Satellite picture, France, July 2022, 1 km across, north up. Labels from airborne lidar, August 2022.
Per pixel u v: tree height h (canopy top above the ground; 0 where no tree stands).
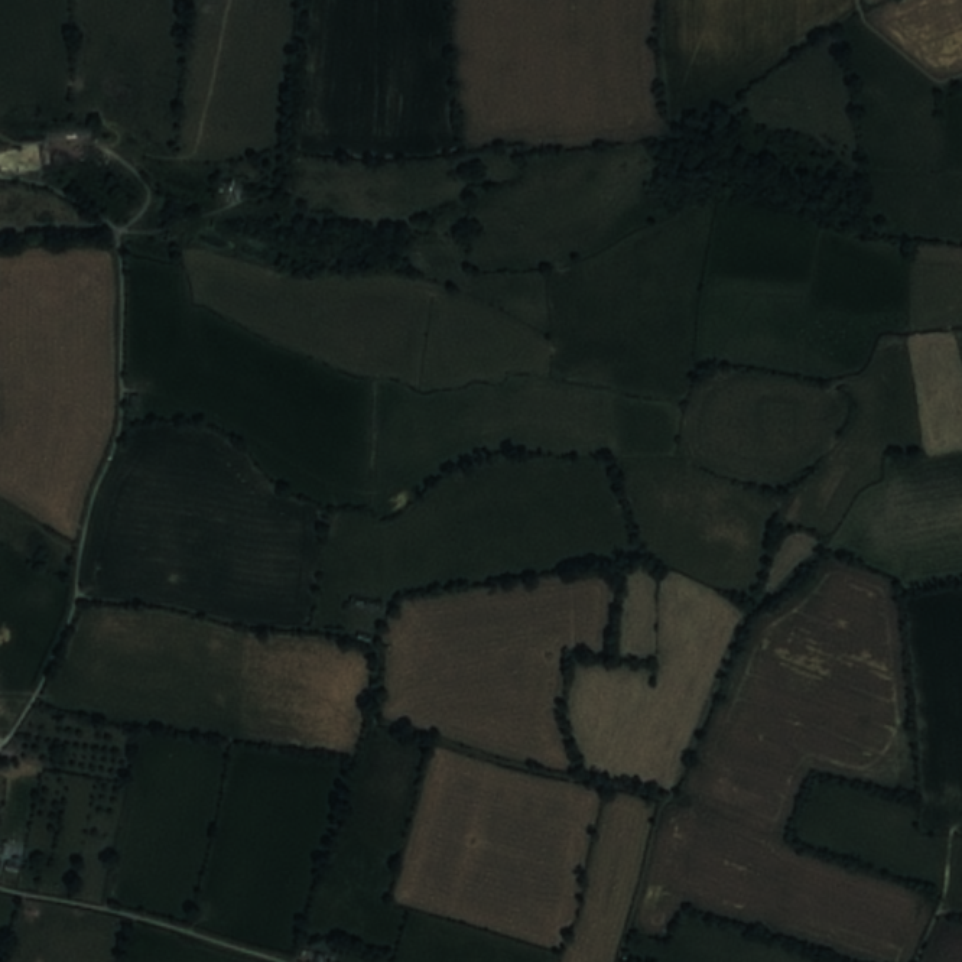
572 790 0
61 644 9
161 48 0
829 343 0
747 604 13
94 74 0
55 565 0
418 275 12
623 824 0
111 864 12
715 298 0
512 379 0
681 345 0
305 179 0
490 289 0
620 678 0
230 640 0
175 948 0
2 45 0
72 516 0
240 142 0
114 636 0
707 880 0
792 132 7
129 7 0
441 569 0
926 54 0
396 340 0
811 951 13
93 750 7
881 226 16
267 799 0
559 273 0
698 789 0
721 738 0
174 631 0
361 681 0
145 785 0
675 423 0
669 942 9
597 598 0
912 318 0
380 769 0
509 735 0
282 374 0
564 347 0
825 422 0
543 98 0
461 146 6
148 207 0
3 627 0
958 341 0
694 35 0
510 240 0
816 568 16
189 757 0
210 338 0
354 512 5
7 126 0
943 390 0
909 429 0
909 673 12
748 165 19
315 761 9
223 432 8
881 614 0
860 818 0
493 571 0
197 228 0
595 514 0
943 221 0
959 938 0
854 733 0
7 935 19
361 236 15
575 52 0
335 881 0
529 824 0
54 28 0
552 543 0
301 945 9
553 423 0
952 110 0
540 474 0
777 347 0
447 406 0
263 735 0
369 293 0
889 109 0
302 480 0
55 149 0
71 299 0
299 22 14
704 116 9
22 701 0
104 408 0
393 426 0
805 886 0
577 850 0
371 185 0
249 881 0
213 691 0
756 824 0
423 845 0
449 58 14
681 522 0
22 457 0
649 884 0
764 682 0
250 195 14
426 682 0
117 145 0
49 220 0
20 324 0
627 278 0
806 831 0
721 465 0
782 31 0
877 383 0
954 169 0
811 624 0
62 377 0
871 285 0
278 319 0
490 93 0
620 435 0
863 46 0
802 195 14
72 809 0
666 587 0
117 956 15
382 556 0
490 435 0
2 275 0
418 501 13
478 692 0
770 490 8
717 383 0
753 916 0
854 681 0
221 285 0
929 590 14
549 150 11
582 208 0
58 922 0
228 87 0
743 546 0
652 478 0
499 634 0
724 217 0
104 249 13
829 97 0
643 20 0
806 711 0
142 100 0
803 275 0
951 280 0
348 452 0
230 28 0
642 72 0
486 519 0
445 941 0
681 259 0
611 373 0
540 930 0
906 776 0
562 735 10
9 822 0
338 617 0
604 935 0
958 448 0
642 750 0
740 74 0
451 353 0
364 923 0
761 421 0
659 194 6
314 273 18
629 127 0
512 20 0
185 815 0
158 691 0
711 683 0
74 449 0
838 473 0
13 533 0
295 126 7
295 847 0
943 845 0
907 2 0
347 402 0
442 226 0
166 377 0
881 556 0
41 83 0
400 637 0
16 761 10
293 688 0
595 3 0
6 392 0
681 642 0
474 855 0
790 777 0
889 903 0
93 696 0
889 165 0
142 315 0
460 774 0
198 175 0
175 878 0
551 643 0
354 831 0
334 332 0
